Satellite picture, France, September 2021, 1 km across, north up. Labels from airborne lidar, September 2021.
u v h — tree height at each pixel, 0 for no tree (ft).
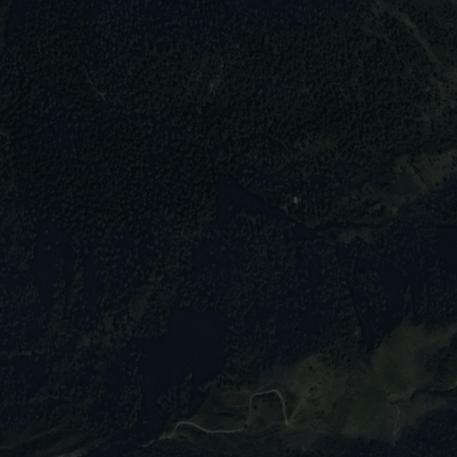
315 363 0
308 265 25
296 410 0
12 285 34
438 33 32
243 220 35
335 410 0
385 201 0
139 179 32
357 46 58
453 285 21
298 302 20
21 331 33
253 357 21
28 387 33
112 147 33
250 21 21
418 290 26
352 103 39
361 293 36
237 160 44
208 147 45
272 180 31
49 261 18
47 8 59
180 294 26
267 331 21
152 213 32
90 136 41
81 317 30
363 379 0
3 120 44
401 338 0
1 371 30
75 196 32
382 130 48
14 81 82
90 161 41
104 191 37
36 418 22
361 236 0
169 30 21
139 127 47
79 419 27
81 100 34
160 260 27
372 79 73
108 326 0
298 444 0
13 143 41
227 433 0
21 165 51
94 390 23
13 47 56
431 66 34
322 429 0
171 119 56
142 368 31
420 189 0
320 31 37
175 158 46
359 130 43
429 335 0
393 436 0
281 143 24
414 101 34
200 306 27
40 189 30
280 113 34
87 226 24
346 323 29
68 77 35
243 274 25
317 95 56
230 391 24
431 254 20
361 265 26
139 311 0
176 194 40
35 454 0
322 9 24
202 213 57
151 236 23
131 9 74
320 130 38
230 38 35
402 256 31
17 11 38
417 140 22
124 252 26
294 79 41
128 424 29
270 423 0
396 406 0
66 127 54
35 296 38
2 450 0
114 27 97
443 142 31
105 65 49
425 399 0
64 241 38
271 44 35
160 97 42
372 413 0
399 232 27
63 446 0
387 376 0
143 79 40
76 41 42
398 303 18
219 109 51
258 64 99
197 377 29
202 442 0
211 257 28
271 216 33
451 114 31
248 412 0
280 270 20
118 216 32
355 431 0
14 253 30
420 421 0
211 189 39
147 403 29
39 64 38
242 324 27
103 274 33
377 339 24
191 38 33
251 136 30
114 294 24
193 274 23
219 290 20
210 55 31
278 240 23
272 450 0
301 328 27
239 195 40
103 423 28
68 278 33
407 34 19
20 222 33
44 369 22
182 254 28
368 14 27
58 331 29
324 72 64
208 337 25
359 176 22
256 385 0
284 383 0
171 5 48
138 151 30
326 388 0
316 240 23
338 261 23
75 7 25
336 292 19
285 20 26
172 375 31
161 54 69
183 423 0
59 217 49
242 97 49
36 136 38
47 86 66
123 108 33
